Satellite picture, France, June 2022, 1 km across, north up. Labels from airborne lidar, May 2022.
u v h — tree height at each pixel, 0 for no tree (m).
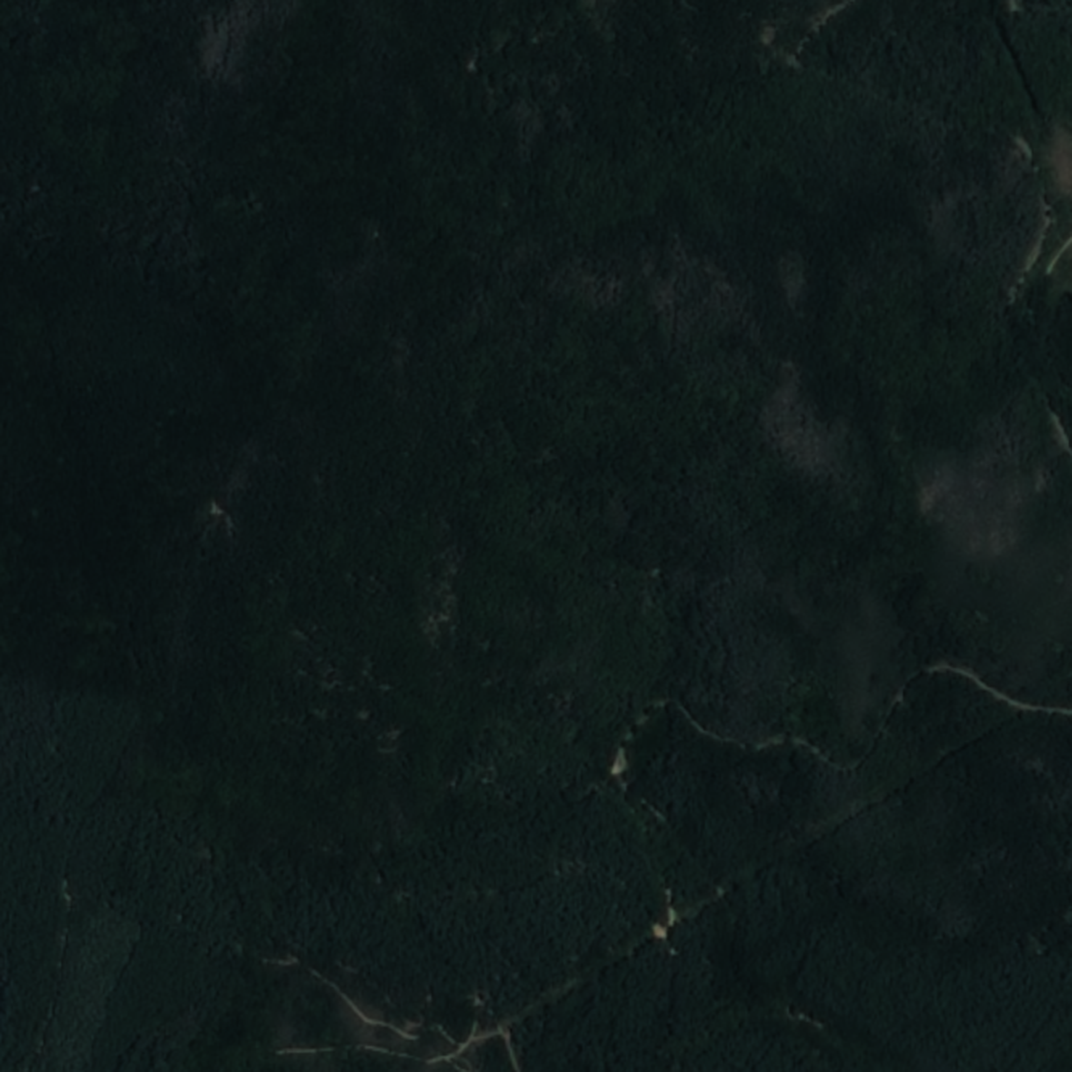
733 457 17
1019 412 14
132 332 19
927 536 11
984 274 14
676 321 11
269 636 21
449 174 19
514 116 21
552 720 20
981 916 18
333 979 9
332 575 21
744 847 21
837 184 13
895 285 21
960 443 12
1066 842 13
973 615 12
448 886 22
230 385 17
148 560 14
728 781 19
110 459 22
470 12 12
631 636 22
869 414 18
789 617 9
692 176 17
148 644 11
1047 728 12
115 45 20
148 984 22
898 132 24
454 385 15
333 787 15
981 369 17
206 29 13
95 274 28
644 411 20
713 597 14
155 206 18
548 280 11
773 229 15
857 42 11
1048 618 0
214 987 15
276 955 10
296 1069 6
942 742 16
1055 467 7
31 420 21
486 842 24
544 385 15
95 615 19
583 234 18
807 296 8
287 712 23
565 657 16
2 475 15
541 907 20
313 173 15
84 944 9
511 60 20
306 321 18
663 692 17
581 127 17
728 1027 22
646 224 15
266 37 13
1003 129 11
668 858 16
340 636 16
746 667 15
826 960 20
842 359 20
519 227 14
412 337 11
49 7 19
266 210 16
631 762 6
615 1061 15
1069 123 0
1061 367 17
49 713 14
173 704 15
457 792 20
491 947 17
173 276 23
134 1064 30
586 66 12
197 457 16
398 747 17
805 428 10
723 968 18
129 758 15
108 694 13
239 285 19
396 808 10
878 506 13
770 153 18
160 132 13
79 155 20
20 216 17
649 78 17
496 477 20
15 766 20
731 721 16
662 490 7
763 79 12
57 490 21
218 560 13
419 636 13
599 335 16
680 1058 22
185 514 15
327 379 16
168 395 20
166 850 23
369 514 17
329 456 16
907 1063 15
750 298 11
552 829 22
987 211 14
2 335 22
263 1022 10
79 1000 12
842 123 13
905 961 21
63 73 20
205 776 16
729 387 17
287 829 11
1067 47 16
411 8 21
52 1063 9
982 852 17
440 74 18
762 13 15
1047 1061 16
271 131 17
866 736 8
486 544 19
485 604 13
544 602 15
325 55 11
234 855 17
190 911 18
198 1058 10
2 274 21
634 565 19
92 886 15
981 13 22
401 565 19
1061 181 0
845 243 20
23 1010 18
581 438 20
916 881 14
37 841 19
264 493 17
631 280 13
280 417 16
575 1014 6
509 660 15
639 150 20
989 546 0
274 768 17
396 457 18
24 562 16
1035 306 14
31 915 20
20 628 14
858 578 6
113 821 19
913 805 18
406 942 17
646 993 24
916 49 18
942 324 18
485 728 15
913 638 12
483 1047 6
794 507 15
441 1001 12
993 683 11
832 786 18
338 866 15
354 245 11
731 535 17
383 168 16
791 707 20
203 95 14
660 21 19
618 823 14
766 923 18
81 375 24
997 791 15
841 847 14
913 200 15
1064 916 20
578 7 20
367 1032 0
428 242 14
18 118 18
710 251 14
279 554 20
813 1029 15
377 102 17
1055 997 23
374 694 19
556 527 24
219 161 13
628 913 18
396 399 13
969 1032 23
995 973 11
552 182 20
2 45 19
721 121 19
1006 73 20
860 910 19
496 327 13
